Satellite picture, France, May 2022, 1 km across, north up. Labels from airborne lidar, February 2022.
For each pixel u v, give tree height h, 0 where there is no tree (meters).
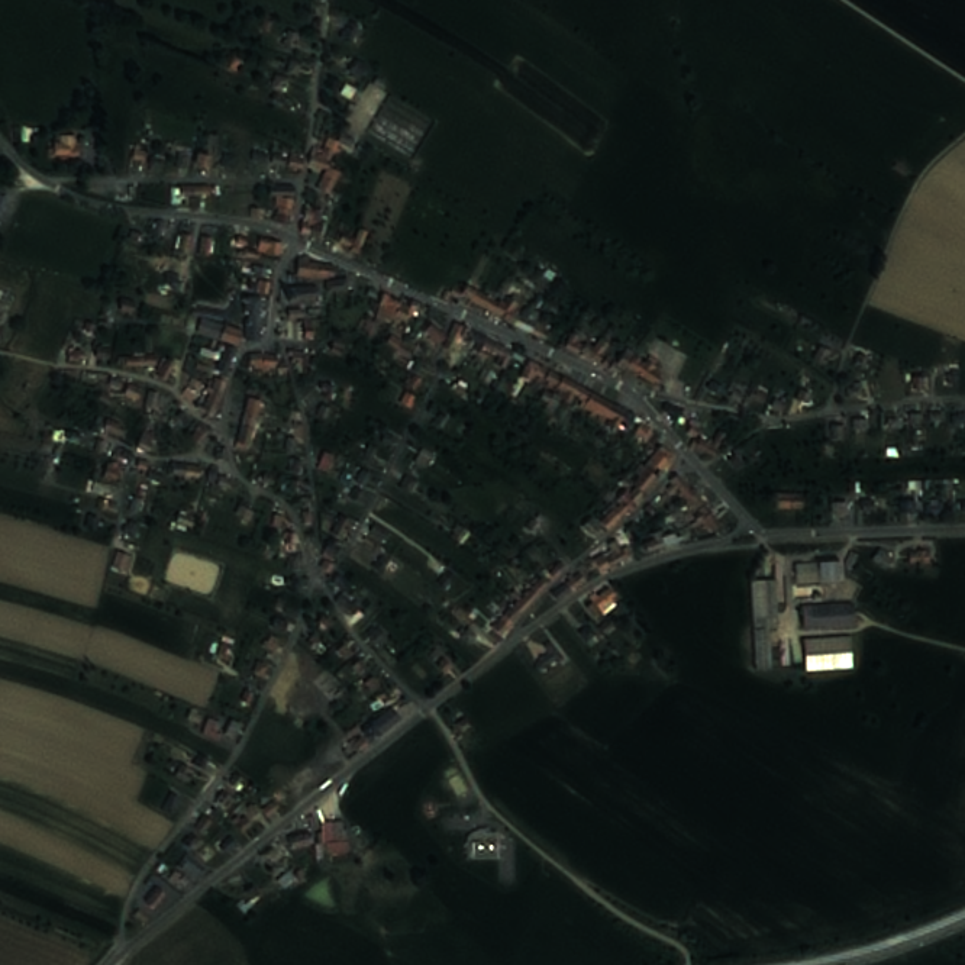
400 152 0
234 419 0
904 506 0
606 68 0
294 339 0
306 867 0
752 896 0
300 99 0
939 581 0
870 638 0
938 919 0
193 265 0
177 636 0
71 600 0
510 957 0
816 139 0
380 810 0
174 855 0
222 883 0
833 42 0
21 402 0
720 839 0
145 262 0
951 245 0
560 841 0
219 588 0
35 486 0
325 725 11
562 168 0
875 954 0
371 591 0
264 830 0
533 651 0
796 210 0
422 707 0
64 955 0
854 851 0
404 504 0
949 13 0
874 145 0
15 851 0
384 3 0
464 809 0
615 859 0
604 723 0
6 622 0
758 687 0
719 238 0
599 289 0
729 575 0
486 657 0
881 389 0
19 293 0
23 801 0
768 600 0
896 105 0
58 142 0
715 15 0
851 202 0
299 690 0
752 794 0
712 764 0
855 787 0
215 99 0
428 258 0
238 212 0
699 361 0
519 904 0
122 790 0
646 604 0
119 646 0
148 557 0
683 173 0
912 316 0
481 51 0
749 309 0
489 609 0
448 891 0
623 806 0
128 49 0
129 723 0
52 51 0
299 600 0
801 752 0
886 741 0
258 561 0
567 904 0
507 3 0
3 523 0
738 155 0
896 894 0
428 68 0
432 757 0
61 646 0
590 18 0
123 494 0
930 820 0
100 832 0
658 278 0
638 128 0
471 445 0
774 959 0
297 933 0
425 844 0
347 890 0
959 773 0
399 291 0
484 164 0
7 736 0
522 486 0
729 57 0
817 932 0
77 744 0
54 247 0
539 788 0
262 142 0
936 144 0
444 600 0
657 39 0
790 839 0
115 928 0
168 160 7
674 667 10
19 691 0
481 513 0
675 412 0
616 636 0
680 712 0
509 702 0
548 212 0
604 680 0
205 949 0
